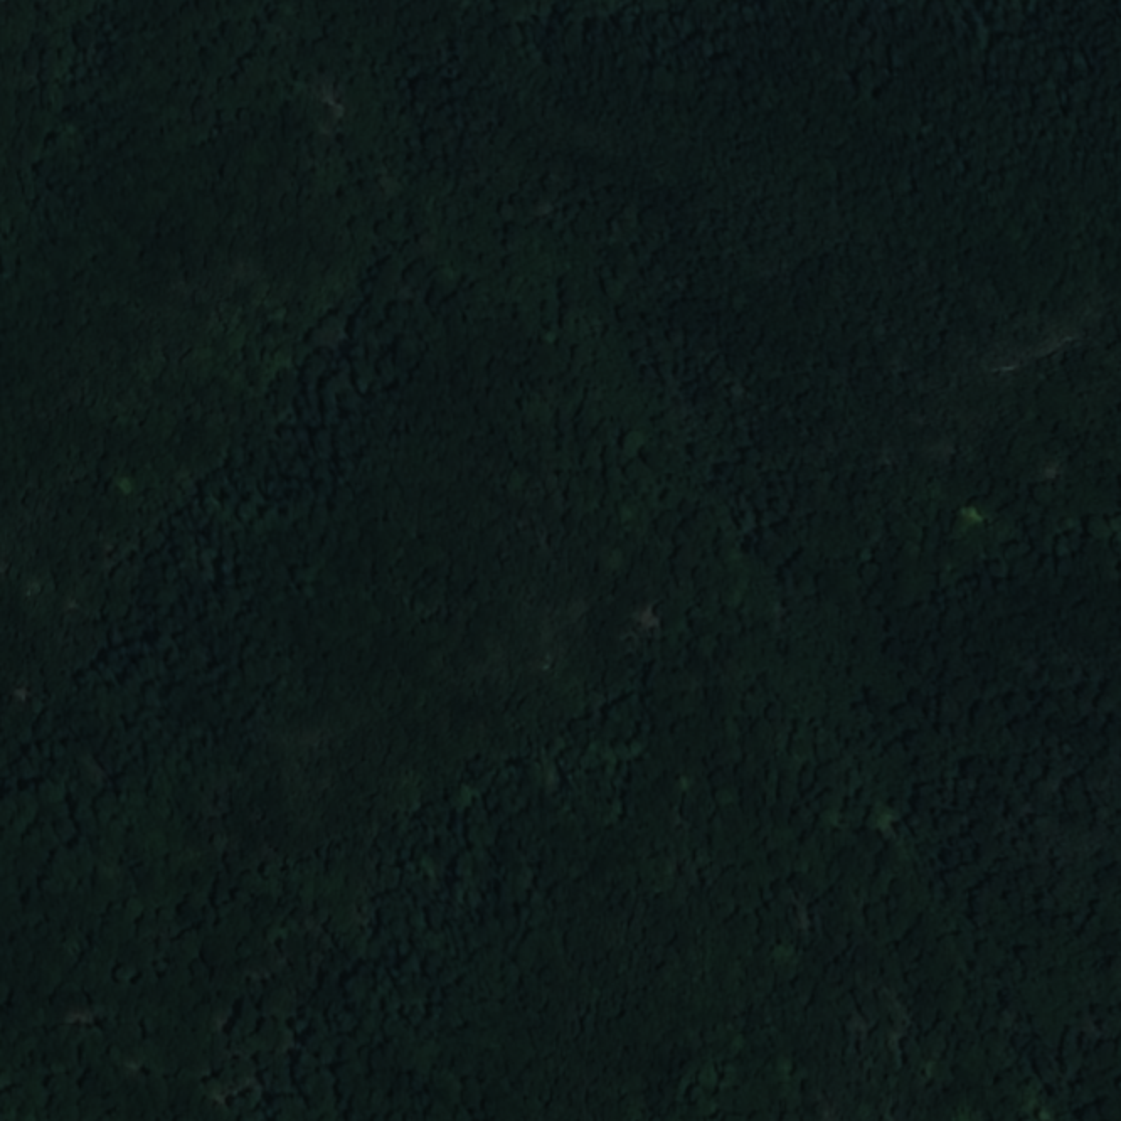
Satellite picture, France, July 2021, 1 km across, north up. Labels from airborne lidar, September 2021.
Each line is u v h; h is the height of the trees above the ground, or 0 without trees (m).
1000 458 21
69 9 9
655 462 32
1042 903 19
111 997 33
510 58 23
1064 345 8
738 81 25
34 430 23
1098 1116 18
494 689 23
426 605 19
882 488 23
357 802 12
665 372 26
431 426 20
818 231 11
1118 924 25
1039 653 13
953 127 20
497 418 31
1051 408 12
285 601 31
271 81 12
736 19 29
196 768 23
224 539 26
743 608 19
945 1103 26
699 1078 31
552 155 12
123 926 27
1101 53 26
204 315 21
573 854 21
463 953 13
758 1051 28
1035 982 13
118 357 12
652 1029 25
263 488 18
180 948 35
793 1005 31
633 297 11
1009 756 10
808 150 18
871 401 15
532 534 19
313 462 22
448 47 7
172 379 23
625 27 25
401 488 23
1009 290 12
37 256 26
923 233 15
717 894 22
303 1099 8
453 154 14
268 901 28
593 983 20
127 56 22
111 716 27
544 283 13
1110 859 18
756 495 19
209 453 24
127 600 25
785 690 12
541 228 14
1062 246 24
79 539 24
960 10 22
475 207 14
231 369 23
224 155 25
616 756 31
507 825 23
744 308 19
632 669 20
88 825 38
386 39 15
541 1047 21
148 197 26
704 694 13
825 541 13
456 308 33
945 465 7
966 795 24
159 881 22
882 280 13
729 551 22
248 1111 32
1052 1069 30
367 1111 32
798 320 19
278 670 17
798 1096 24
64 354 17
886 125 26
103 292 22
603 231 14
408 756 27
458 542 19
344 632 25
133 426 28
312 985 34
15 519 11
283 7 21
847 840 29
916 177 23
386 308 24
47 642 25
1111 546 27
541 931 29
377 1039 25
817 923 22
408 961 23
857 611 21
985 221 23
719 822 26
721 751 19
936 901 10
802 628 13
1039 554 24
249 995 19
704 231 19
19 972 29
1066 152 23
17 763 22
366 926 9
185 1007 34
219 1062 38
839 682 13
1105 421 11
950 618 25
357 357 27
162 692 30
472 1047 28
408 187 13
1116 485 16
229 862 26
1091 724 23
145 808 30
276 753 13
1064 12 28
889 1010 26
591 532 28
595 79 17
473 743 32
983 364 12
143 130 17
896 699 12
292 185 11
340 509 25
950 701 25
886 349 19
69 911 34
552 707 19
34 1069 24
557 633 10
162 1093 32
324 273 22
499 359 20
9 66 21
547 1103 19
